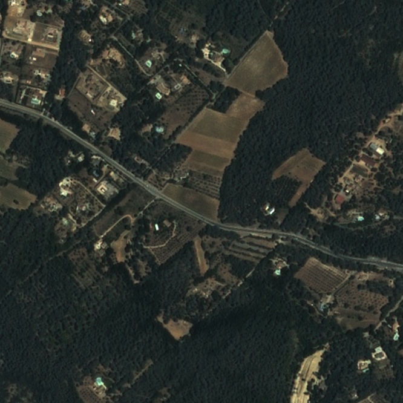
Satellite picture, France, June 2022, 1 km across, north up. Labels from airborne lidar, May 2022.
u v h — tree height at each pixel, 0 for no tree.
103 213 10
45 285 19
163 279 16
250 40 17
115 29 12
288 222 17
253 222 17
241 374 11
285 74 0
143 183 0
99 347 22
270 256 15
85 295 22
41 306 20
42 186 18
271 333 17
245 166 16
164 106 6
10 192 0
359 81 16
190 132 0
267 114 15
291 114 15
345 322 0
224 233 21
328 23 17
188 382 18
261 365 16
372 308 12
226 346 6
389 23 12
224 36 9
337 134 14
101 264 10
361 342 21
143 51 11
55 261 9
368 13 9
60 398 16
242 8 17
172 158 20
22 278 7
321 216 0
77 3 6
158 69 7
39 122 11
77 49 18
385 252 22
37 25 0
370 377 16
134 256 9
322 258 18
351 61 14
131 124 22
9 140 0
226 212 16
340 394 15
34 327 19
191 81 7
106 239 9
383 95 19
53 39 0
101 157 6
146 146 20
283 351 20
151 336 26
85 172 0
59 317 20
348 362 13
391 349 20
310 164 0
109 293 23
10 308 16
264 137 17
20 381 12
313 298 21
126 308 18
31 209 18
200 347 17
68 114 17
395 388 15
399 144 14
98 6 7
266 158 8
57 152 14
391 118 6
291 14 18
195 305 20
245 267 14
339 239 18
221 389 14
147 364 15
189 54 21
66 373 16
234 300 24
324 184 20
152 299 8
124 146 13
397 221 18
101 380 0
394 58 6
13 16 0
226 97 9
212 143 0
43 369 12
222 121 0
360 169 0
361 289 22
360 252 17
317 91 16
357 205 6
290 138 20
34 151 8
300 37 13
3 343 16
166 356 18
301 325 13
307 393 9
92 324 22
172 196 0
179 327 0
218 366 19
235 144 0
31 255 18
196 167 0
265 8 7
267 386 16
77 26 8
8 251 18
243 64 0
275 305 11
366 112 19
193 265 22
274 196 18
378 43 5
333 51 12
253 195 10
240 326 13
